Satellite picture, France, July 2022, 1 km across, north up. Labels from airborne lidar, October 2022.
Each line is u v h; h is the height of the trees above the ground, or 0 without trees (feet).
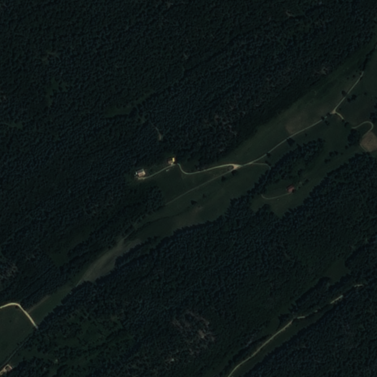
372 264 73
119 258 0
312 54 59
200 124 65
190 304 92
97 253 74
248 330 83
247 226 78
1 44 74
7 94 75
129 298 73
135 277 65
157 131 88
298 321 52
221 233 84
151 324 94
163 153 91
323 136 0
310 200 45
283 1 29
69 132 73
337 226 60
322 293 85
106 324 36
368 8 71
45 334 32
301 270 62
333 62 57
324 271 64
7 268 70
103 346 36
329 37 72
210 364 87
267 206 37
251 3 67
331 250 71
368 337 76
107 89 61
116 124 65
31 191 39
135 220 58
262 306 54
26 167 33
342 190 74
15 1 87
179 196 0
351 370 73
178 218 0
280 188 0
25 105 63
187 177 0
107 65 42
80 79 25
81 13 65
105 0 52
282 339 0
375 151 0
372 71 0
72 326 42
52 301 0
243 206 54
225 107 64
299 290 91
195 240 81
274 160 0
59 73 80
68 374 43
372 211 63
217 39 82
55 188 60
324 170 0
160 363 37
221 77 76
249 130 67
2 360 0
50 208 86
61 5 72
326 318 52
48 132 37
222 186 0
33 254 49
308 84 79
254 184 0
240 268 88
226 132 66
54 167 47
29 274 69
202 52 79
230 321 65
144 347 66
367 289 23
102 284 91
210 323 43
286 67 77
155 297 85
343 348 83
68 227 77
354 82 0
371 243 74
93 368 30
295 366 100
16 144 56
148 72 86
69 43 63
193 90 68
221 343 74
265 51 89
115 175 58
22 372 90
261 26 71
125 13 62
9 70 70
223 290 82
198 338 43
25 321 0
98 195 75
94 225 39
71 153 45
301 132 0
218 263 93
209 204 0
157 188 60
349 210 36
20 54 80
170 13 62
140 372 28
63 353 27
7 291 75
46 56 85
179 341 28
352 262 85
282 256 68
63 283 79
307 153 76
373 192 52
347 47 51
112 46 56
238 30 51
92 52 84
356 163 76
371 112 0
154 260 81
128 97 84
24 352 0
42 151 95
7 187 58
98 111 55
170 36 51
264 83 102
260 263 86
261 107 63
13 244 60
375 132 0
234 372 0
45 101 66
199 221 0
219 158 62
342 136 0
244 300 47
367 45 55
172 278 85
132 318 98
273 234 90
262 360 0
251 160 0
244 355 79
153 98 50
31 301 93
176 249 97
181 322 90
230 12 80
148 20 77
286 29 75
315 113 0
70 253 21
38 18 73
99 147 46
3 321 0
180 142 54
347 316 107
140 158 75
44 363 37
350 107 0
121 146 62
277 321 0
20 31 70
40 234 39
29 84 74
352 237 61
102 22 60
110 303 93
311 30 31
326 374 78
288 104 62
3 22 70
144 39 77
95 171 98
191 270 69
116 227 27
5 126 47
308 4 83
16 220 71
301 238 49
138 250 72
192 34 66
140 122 44
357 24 82
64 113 76
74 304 83
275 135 0
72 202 80
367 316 55
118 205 49
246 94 83
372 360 49
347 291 54
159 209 69
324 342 95
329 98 0
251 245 94
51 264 98
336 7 56
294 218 50
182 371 45
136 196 31
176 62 36
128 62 77
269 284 81
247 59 51
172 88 46
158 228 0
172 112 73
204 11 74
